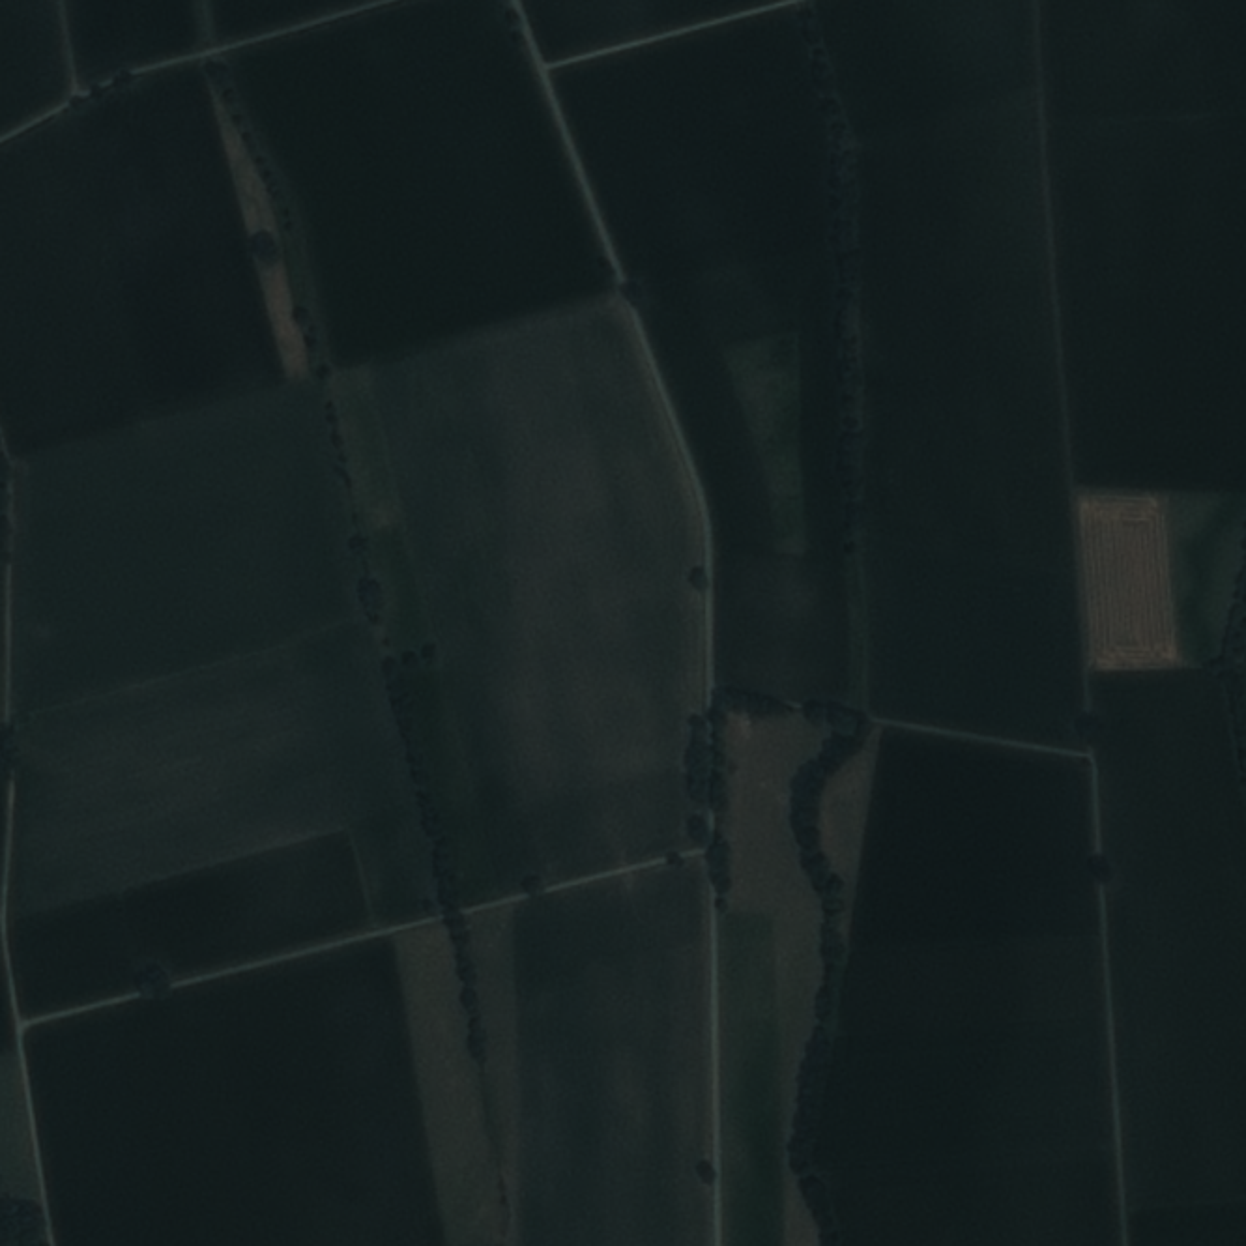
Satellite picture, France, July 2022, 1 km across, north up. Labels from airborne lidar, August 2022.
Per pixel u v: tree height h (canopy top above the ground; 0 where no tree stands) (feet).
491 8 0
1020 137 0
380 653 0
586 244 0
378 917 0
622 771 0
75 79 0
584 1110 0
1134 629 0
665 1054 0
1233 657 33
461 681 0
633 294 59
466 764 0
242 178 0
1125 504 0
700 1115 0
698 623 0
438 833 52
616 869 0
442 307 0
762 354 0
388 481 0
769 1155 0
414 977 0
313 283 0
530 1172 0
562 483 0
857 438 54
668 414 0
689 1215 0
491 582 0
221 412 0
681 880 0
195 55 0
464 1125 0
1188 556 0
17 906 0
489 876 0
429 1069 0
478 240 0
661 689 0
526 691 0
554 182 0
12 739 58
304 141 0
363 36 0
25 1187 0
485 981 0
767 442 0
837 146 43
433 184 0
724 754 43
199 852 0
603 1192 0
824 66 53
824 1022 44
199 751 0
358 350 0
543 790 0
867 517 55
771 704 51
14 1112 0
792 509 0
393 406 0
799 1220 0
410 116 0
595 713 0
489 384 0
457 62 0
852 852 0
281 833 0
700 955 0
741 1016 0
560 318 0
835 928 54
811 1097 53
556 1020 0
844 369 56
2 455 59
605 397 0
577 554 0
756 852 0
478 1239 0
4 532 66
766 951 0
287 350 0
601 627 0
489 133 0
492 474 0
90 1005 0
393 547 0
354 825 0
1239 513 0
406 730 54
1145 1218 0
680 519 0
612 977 0
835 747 57
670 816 0
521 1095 0
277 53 0
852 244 48
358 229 0
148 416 0
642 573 0
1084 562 0
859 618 0
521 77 0
